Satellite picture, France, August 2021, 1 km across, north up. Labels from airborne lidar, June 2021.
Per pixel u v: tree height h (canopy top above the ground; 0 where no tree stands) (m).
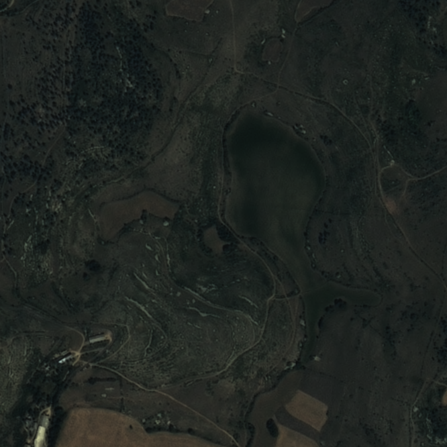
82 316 0
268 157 0
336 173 0
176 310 0
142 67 8
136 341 0
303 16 0
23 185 0
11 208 0
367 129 0
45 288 0
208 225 6
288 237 0
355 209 0
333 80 0
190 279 0
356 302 0
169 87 0
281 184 0
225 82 0
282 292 0
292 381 0
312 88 0
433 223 0
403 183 0
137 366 0
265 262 0
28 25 0
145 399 0
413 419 0
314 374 0
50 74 8
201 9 0
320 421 0
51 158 7
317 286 0
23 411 9
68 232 0
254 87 0
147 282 0
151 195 0
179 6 0
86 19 8
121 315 0
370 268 0
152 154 0
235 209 0
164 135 0
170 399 0
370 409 0
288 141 0
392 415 0
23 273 0
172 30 0
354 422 0
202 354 0
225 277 0
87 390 0
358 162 0
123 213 0
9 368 0
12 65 0
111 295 0
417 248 0
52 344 0
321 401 0
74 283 0
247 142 0
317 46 0
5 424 0
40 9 0
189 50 0
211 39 0
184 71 0
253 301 0
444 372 0
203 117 0
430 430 0
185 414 0
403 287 0
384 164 0
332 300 0
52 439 12
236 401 0
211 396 0
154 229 0
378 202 0
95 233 0
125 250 0
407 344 0
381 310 0
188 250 0
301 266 0
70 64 8
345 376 0
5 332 0
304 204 0
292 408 0
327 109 0
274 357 0
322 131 0
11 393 0
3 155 10
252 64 0
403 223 0
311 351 0
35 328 0
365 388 0
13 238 0
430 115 0
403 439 0
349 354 0
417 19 9
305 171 0
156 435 0
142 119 10
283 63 0
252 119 0
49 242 12
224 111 0
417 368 0
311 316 0
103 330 0
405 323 0
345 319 0
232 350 0
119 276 0
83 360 0
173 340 0
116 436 0
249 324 0
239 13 0
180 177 0
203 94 0
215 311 0
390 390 0
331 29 0
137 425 0
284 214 0
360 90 0
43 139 0
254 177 0
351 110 0
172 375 0
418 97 0
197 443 0
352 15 0
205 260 0
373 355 0
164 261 0
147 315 0
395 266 0
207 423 0
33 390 12
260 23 0
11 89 13
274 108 0
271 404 0
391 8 0
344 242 0
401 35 0
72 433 0
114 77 0
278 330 0
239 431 0
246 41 0
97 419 0
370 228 0
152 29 12
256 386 0
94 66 9
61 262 0
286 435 0
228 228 5
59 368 7
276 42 0
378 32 0
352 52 0
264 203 0
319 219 0
